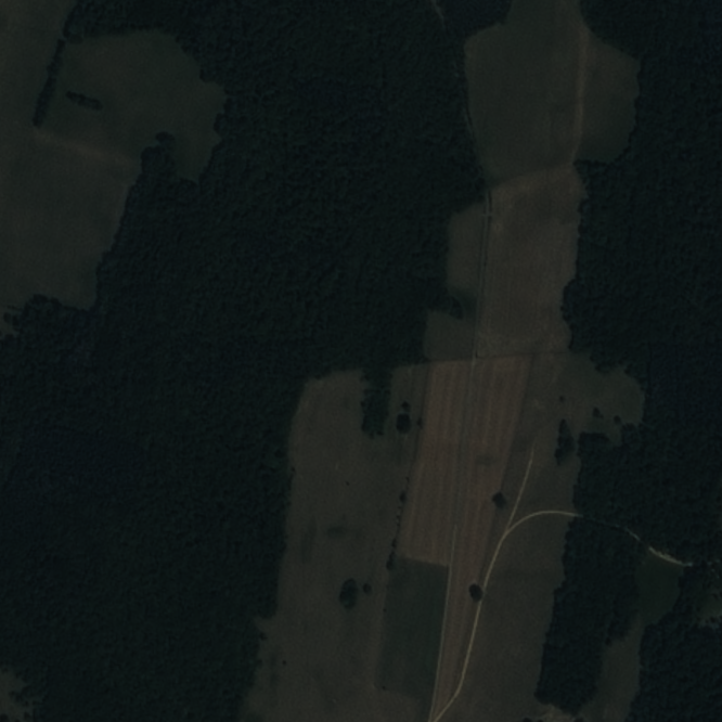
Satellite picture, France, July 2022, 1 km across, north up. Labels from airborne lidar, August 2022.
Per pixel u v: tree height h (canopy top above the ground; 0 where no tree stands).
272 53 15
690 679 24
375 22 18
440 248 12
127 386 21
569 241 0
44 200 0
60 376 15
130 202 12
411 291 16
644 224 16
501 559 0
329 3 14
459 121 13
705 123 27
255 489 17
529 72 0
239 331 14
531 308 0
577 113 0
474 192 16
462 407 0
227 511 11
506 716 0
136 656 14
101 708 16
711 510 20
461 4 11
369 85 22
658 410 16
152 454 14
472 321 0
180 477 17
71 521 15
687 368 23
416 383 0
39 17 0
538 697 13
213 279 10
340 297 19
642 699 13
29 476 20
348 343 6
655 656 19
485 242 0
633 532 11
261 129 17
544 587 0
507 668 0
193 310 12
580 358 0
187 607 13
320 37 16
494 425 0
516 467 0
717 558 8
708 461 22
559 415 0
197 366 12
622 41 15
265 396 16
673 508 18
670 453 20
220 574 17
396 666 0
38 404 15
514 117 0
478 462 0
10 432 14
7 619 15
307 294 21
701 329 20
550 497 0
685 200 23
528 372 0
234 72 17
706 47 23
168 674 14
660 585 0
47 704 11
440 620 0
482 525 0
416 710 0
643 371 14
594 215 18
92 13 19
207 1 8
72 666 13
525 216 0
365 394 7
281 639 0
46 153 0
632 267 17
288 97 16
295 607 0
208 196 13
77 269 0
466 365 0
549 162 0
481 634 0
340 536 0
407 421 21
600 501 10
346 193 19
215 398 16
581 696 10
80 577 17
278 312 11
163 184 14
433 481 0
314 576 0
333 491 0
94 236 0
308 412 0
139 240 14
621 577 21
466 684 0
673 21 22
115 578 14
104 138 0
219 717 11
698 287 20
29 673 8
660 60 16
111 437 19
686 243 16
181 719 8
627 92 0
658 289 18
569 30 0
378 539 0
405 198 12
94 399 19
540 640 0
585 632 19
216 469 20
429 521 0
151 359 13
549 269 0
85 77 0
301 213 19
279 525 13
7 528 16
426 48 6
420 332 8
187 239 16
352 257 22
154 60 0
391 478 0
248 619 14
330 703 0
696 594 7
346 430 0
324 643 0
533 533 0
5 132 0
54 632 14
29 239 0
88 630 15
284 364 15
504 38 0
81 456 19
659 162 22
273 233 18
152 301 19
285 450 13
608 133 0
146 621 14
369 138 19
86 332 23
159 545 13
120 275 16
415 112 14
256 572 15
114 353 16
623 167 17
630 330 14
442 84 11
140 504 11
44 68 0
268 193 16
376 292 12
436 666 0
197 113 0
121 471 19
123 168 0
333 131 18
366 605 0
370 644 0
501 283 0
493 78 0
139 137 0
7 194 0
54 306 17
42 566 19
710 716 18
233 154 11
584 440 15
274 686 0
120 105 0
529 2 0
